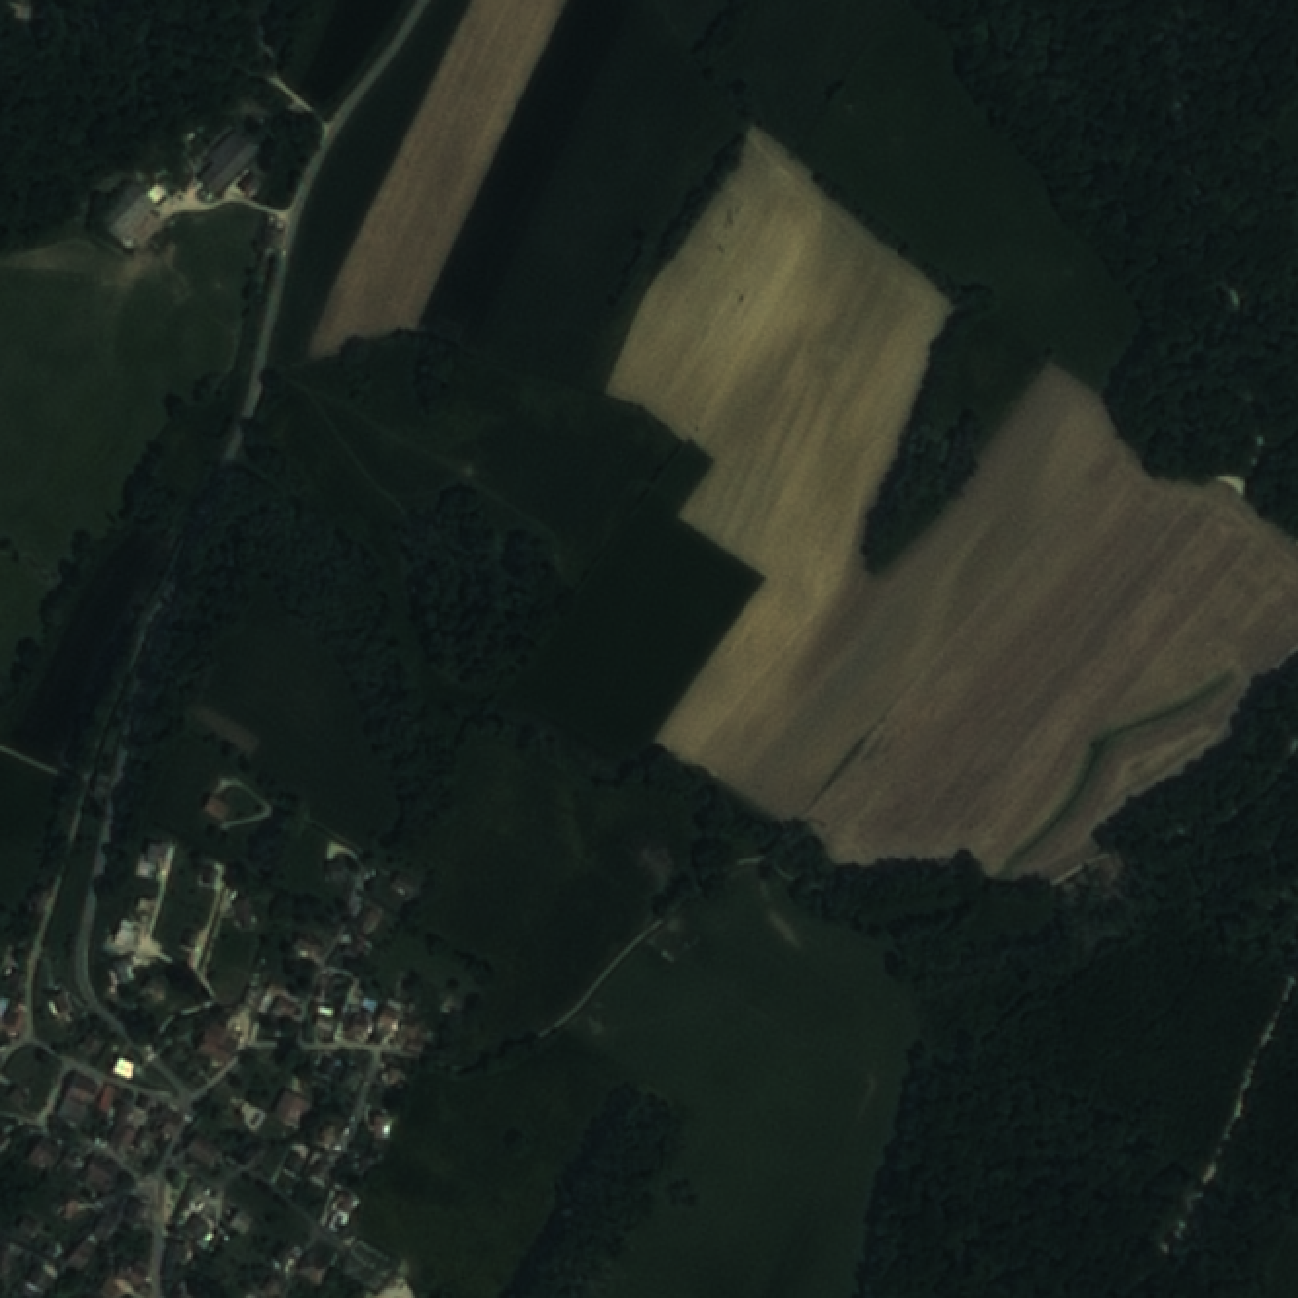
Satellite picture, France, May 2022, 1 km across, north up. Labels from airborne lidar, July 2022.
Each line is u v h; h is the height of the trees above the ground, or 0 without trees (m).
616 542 0
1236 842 24
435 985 0
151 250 0
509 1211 0
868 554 12
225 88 24
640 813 0
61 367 0
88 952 0
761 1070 0
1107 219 29
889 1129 0
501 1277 0
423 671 0
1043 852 0
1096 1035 10
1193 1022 8
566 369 0
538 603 18
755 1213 0
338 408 0
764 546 0
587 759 0
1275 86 22
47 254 0
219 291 0
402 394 0
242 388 0
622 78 0
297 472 7
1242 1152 9
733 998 0
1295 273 22
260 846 19
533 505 0
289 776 0
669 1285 0
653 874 0
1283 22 22
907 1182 23
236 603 22
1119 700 0
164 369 0
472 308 0
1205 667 0
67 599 13
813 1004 0
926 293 0
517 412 0
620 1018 0
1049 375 0
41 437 0
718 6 0
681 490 0
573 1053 0
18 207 23
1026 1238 25
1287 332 16
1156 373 26
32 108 26
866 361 0
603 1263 11
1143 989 8
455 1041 11
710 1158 0
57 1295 6
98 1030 8
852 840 0
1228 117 20
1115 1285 31
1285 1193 8
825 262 0
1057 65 25
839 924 24
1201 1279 29
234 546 26
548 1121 0
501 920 0
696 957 0
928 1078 25
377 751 11
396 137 0
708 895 18
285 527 25
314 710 0
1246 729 24
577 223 0
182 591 27
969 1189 24
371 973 7
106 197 10
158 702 23
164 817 0
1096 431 0
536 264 0
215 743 7
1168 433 14
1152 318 20
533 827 0
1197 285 24
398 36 0
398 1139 0
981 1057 24
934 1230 26
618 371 0
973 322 11
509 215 0
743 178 0
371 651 28
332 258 0
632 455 0
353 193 0
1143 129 21
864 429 0
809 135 0
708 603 0
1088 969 12
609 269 0
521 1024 0
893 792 0
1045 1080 23
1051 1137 22
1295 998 9
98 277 0
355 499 0
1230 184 23
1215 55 22
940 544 0
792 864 20
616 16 0
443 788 20
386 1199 0
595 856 0
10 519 0
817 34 0
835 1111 0
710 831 21
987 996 6
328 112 0
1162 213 27
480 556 32
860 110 0
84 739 17
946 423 0
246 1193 0
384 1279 0
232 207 0
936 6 20
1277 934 15
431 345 16
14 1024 0
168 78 25
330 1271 8
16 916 10
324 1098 7
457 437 0
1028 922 0
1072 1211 27
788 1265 0
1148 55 22
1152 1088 7
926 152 0
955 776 0
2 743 0
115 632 0
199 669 24
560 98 0
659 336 0
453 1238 0
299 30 23
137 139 18
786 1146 0
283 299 0
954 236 0
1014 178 0
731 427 0
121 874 8
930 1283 23
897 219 0
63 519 0
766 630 0
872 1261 13
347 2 0
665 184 0
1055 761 0
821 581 0
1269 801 17
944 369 11
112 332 0
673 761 18
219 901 0
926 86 0
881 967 0
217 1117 13
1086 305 0
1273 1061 10
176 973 16
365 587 28
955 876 19
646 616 0
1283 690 25
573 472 0
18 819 0
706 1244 0
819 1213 0
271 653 0
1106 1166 23
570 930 0
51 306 0
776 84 0
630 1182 26
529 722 0
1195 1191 15
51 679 0
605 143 0
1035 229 0
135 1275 0
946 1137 22
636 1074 0
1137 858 23
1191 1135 10
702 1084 0
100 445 0
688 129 0
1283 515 17
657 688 0
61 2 8
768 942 0
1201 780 18
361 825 0
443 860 0
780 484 0
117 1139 0
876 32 0
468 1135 0
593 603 0
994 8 29
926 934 24
